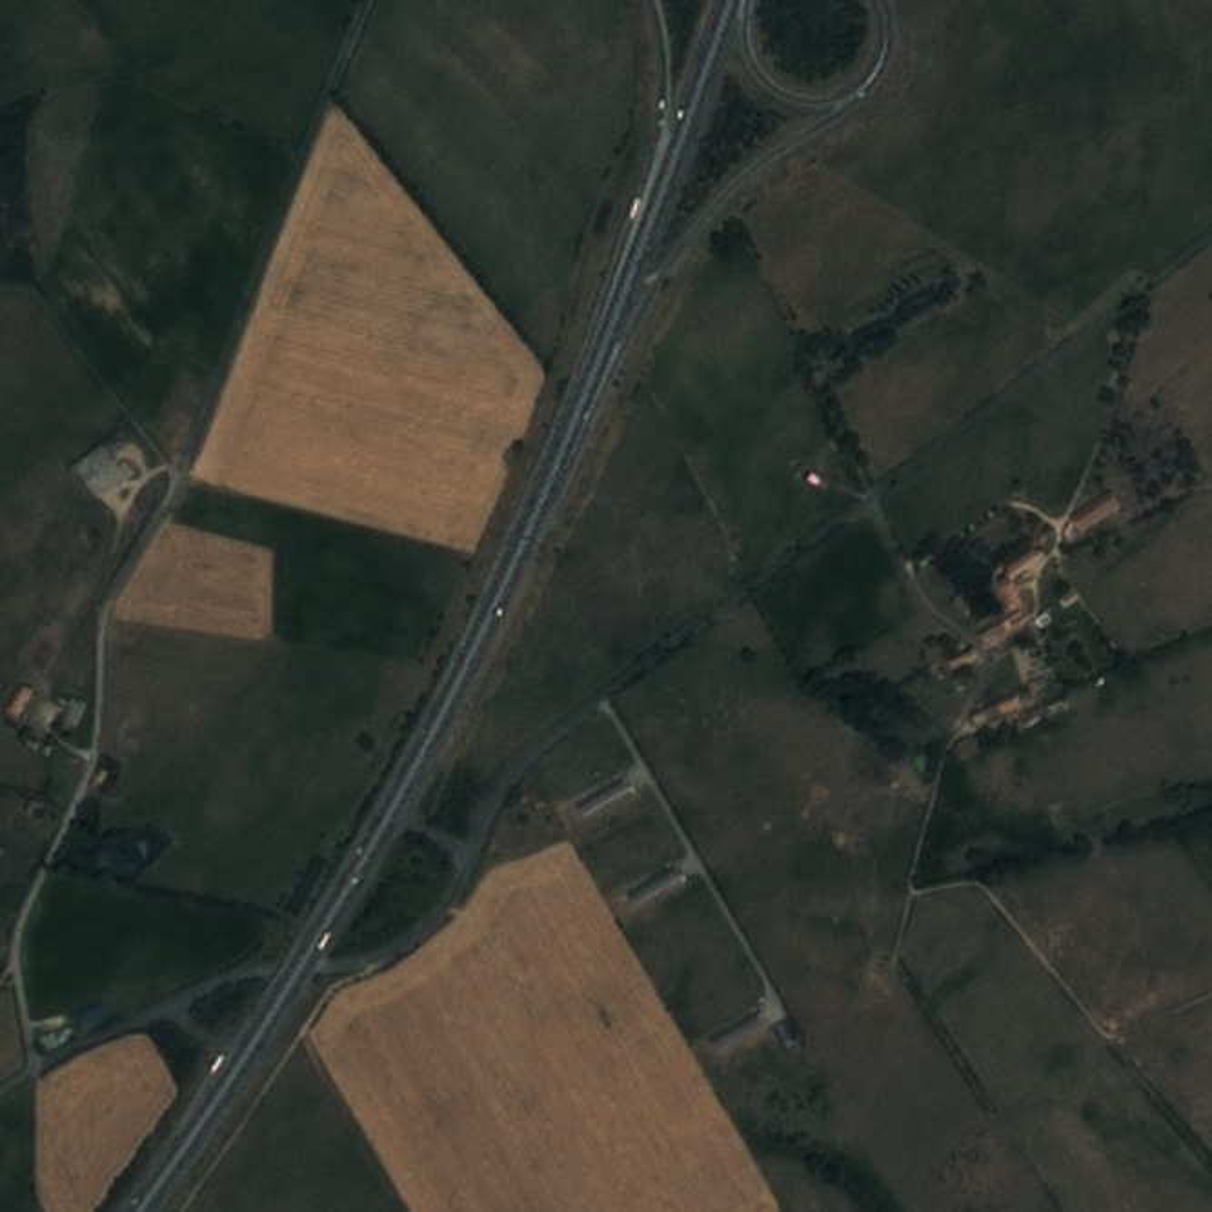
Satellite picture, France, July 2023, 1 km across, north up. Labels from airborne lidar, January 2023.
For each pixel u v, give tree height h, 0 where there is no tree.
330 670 0
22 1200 0
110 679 0
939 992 0
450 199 0
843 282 0
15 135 6
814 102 0
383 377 0
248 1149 0
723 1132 0
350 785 0
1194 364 0
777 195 0
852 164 0
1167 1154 0
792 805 0
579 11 0
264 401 0
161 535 0
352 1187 0
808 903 0
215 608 0
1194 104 0
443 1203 0
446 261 0
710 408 0
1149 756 0
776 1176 0
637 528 0
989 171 0
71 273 0
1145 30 0
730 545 0
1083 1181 0
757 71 0
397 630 0
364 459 0
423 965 0
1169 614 0
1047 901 0
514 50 0
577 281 0
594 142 0
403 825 0
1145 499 11
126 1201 0
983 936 0
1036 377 0
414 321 0
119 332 0
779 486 0
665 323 0
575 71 0
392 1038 0
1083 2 0
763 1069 0
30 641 0
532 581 0
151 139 0
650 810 0
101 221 0
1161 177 0
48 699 0
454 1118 0
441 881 0
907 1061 0
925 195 0
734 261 0
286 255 0
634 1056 0
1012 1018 0
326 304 0
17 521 0
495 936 0
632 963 0
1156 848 0
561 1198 0
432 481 0
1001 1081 0
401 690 0
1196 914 0
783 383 0
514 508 0
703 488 0
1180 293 0
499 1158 0
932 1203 0
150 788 0
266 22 0
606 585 0
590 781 0
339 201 0
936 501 0
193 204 0
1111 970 0
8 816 0
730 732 0
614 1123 0
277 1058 0
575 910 0
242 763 0
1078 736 0
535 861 0
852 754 0
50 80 0
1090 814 0
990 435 0
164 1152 0
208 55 0
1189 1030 0
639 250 0
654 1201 0
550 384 0
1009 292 0
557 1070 0
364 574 0
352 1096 0
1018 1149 0
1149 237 0
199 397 0
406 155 0
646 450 0
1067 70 0
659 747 0
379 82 0
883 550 0
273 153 0
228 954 0
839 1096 0
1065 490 0
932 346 0
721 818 0
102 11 0
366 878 0
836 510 0
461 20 0
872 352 11
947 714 0
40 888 0
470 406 0
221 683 0
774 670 0
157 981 0
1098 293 0
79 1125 0
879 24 0
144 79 0
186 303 0
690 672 0
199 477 0
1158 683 0
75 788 0
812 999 0
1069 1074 0
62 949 0
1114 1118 0
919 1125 0
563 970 0
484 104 0
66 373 0
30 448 0
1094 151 0
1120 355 10
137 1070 0
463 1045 0
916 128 0
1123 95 0
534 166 0
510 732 0
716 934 0
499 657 0
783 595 0
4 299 0
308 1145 0
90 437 0
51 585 0
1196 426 0
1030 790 0
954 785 0
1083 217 0
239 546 0
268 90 0
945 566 10
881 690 8
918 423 0
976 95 0
